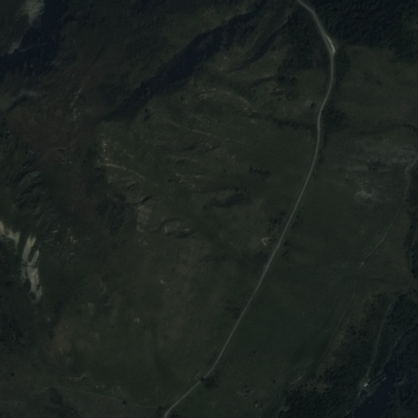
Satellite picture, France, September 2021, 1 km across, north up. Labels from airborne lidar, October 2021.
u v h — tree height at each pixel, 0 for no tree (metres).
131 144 0
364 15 11
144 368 0
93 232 0
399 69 0
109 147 0
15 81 0
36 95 0
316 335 0
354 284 0
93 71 0
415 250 8
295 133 0
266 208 0
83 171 0
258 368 0
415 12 10
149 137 0
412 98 0
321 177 0
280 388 0
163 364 0
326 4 9
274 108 0
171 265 0
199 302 0
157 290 0
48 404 0
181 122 0
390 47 10
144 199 0
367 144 0
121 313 0
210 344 0
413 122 0
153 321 0
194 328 0
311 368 0
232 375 0
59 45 0
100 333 0
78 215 0
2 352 0
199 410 0
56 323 0
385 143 0
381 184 0
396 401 0
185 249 0
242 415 0
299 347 0
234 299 0
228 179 0
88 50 0
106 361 0
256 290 0
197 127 0
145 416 0
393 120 0
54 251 0
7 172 0
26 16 0
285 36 7
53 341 0
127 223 0
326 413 11
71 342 0
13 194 0
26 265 0
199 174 0
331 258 0
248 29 10
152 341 0
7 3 0
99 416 0
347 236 0
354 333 8
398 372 11
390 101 0
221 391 0
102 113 0
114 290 0
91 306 0
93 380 0
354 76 0
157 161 0
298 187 0
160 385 0
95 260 0
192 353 0
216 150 0
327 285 0
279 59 0
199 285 0
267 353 0
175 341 0
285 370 0
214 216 0
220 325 0
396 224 0
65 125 0
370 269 0
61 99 0
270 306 0
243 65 0
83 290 0
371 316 7
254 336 0
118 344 0
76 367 0
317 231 0
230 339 0
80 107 0
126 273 0
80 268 0
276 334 0
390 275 0
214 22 0
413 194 6
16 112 0
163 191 0
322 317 0
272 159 0
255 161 0
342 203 0
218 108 0
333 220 0
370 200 0
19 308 0
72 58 0
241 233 0
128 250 0
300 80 0
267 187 0
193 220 0
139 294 0
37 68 0
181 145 0
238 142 0
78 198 0
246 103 0
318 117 0
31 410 0
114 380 0
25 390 0
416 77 0
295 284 0
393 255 0
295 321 0
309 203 0
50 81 0
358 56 0
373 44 11
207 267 0
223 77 0
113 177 0
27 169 0
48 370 0
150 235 0
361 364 9
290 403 10
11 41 0
